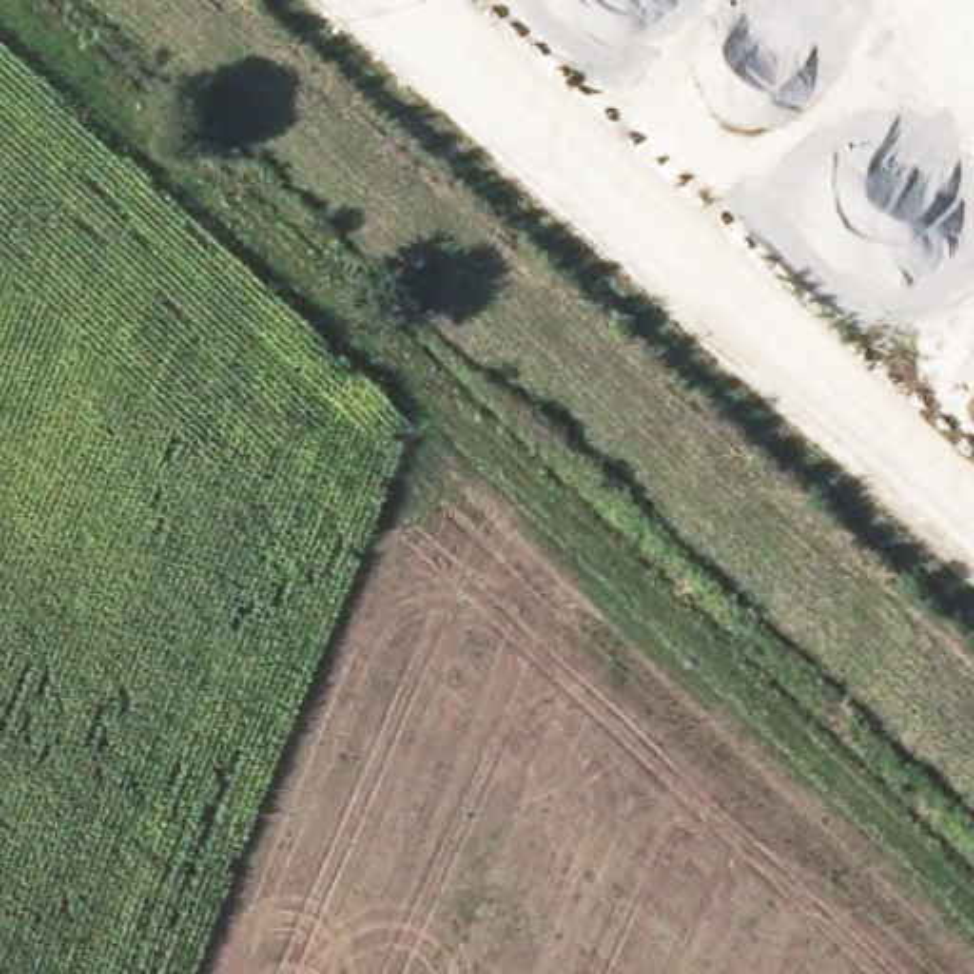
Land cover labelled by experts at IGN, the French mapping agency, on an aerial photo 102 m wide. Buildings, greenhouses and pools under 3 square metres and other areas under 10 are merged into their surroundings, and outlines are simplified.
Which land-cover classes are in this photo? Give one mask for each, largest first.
<instances>
[{"label":"agricultural land","instance_id":"1","mask_svg":"<svg viewBox=\"0 0 974 974\"><path fill-rule=\"evenodd\" d=\"M103 8L114 23H122L129 38L145 42V49H171L167 72L186 76L244 57H266L274 65L293 68L297 122L270 141L301 186H308L335 209L361 213V247L373 255H388L434 232L453 236L460 247H495V255L506 263V282L495 304L464 323L441 316L438 339L445 342H460L472 358L487 365H517L521 384L529 392L563 403L597 449H605L635 472V479L666 510L677 533L689 536L704 555H711L757 601H765L769 616L791 639L807 643L822 658V666L848 689H856L864 700L883 715V723L902 738L906 750L932 761L951 780V788L974 803V651L951 620L928 613V594L909 575L883 567L875 552L860 548L848 529L837 525L833 514L818 506L814 495H807L788 472H780L772 457L753 449L734 422L715 415L704 392L689 388L658 358H651L639 339L628 335L620 312H601L594 301H586L563 270H552V259L529 244L525 232L506 228L464 183L449 175V167L438 156H430L388 114H380L358 88H350L331 61L316 57L285 27H278L259 0H88ZM422 453V403L407 388L403 373L380 365L369 350L354 346L346 316L316 304L304 289H297V282L285 270H278L251 244H244L236 228L221 221L217 209H209L183 183H175L133 137L103 122L91 99L68 80V72L49 65L0 15V974H974V947H966L963 932L944 917V909L932 906L928 894L909 886L867 837L848 829L818 795L795 788L776 761L761 753L757 742L738 734V719L727 708L696 704V696L677 689L658 662H651L624 635H616L601 620V605H594L552 555H544L514 525V510L506 502L476 487L468 472H460V460L453 453H441L438 468L415 472Z\"/></svg>","mask_w":974,"mask_h":974},{"label":"pervious surface","instance_id":"2","mask_svg":"<svg viewBox=\"0 0 974 974\"><path fill-rule=\"evenodd\" d=\"M316 15L327 19L335 34H350L377 65H384L396 88H411L434 110L449 114L453 126L491 156L498 175L514 179L540 209L563 221L601 259L616 263L632 278V285L658 301L666 316L685 335H692L696 346L723 373L746 380L757 396L772 403V411L795 434H803L848 476H856L875 498V506H883L898 525H906L913 540H921L947 563H963L966 582L974 586V0H304Z\"/></svg>","mask_w":974,"mask_h":974},{"label":"herbaceous vegetation","instance_id":"3","mask_svg":"<svg viewBox=\"0 0 974 974\"><path fill-rule=\"evenodd\" d=\"M0 15L49 65L68 72V80L91 99L103 122L133 137L175 183H183L209 209H217L221 221L236 228L244 244H251L278 270H285L297 282V289H304L316 304L346 316L354 346L369 350L380 365L403 373L407 388L422 403V453L415 472L438 468L441 453H453L460 460V472H468L476 487L506 502L514 510V525L544 555H552L594 605H601V620L616 635H624L651 662H658L677 689L696 696V704L727 708L738 719V734L757 742L761 753L776 761L795 788L818 795L848 829L867 837L909 886L928 894L932 886H947L959 902L974 890V829L928 788L925 776L906 769L864 723L852 719V711L864 700L856 689H848L837 700L829 689H822L803 670V662L788 658L761 628H753L742 616V609L711 578L696 575L689 559L673 544H666V536L628 502V495L609 487L590 460H582L567 445L559 430L517 407L487 377L472 373L445 342L438 339L441 316H430L415 335H399L396 316L380 308V301L396 293L399 282L388 270V255H373L361 247L346 251L342 240L297 194L282 190V183L259 160H228L224 152L209 156L202 145L179 133L183 114L175 91L186 76L167 72L171 49H145V42L129 38L122 23H114L103 8L88 0H0Z\"/></svg>","mask_w":974,"mask_h":974},{"label":"brushwood","instance_id":"4","mask_svg":"<svg viewBox=\"0 0 974 974\"><path fill-rule=\"evenodd\" d=\"M278 27H285L316 57L331 61L350 88H358L380 114H388L430 156H438L449 167V175L464 183L506 228L525 232L529 244L552 259V270H563L586 301H594L601 312H620L628 335L639 339L651 358H658L689 388L704 392L715 415L734 422L753 449L772 457L780 472H788L807 495H814L818 506L833 514L837 525L848 529L860 548L875 552L883 567L909 575L928 594V613L951 620L974 651V586L966 582L963 563H947L921 540H913L906 525H898L883 506H875V498L856 476H848L803 434H795L772 411V403L757 396L746 380L723 373L696 346L692 335H685L666 316L658 301L632 285V278L616 263L601 259L563 221L540 209L514 179L498 175L491 156L453 126L449 114L434 110L411 88H396L384 65H377L350 34H335L327 19L316 15L304 0H259ZM247 160H259L282 183V190L297 194L342 240L346 251L361 247V213L335 209L308 186H301L270 141H255ZM380 308L396 316L399 335H415L430 316L399 282L396 293L380 301ZM472 373L487 377L517 407L559 430L567 445L582 460H590L609 487L628 495V502L666 536V544H673L689 559L696 575L711 578L742 609V616L753 628H761L788 658L803 662V670L822 689H829L837 700L848 689L822 666V658L807 643L791 639L769 616L765 601H757L711 555H704L689 536L677 533L666 510L635 479V472L605 449H597L563 403L529 392L521 384L517 365H487L472 358L460 342H445ZM852 719L864 723L906 769L925 776L928 788L974 829V803L951 788V780L932 761L906 750L902 738L883 723V715L864 700L852 711ZM932 906L944 909V917L963 932L966 947H974V890L959 902L947 886H932L928 894Z\"/></svg>","mask_w":974,"mask_h":974},{"label":"deciduous trees","instance_id":"5","mask_svg":"<svg viewBox=\"0 0 974 974\"><path fill-rule=\"evenodd\" d=\"M183 114L179 133L202 145L209 156L224 152L228 160H247L255 141H270L297 122L293 68L274 65L266 57H244L186 76L175 91ZM388 270L399 282L430 316H441L464 323L495 304L506 282V263L495 255V247H460L453 236L434 232L388 255Z\"/></svg>","mask_w":974,"mask_h":974}]
</instances>
